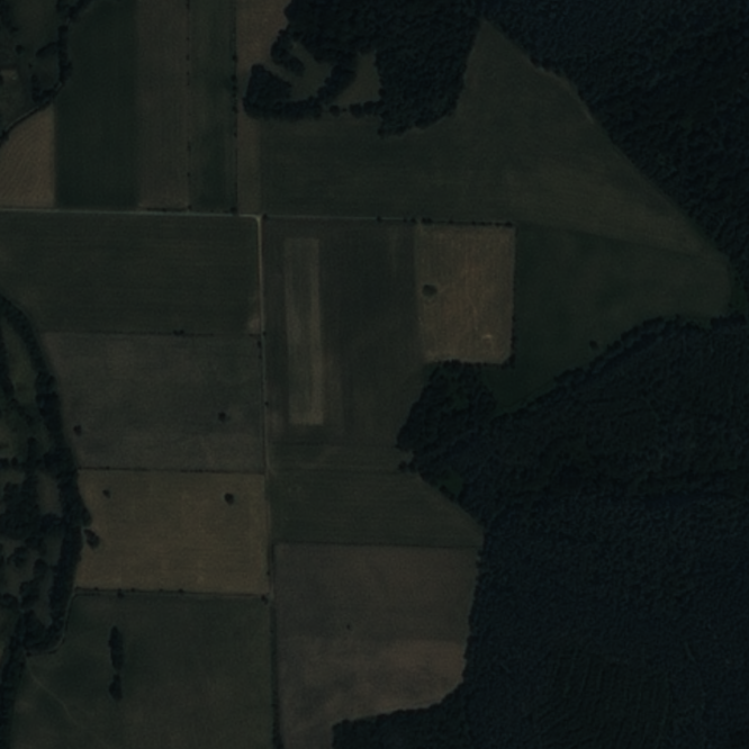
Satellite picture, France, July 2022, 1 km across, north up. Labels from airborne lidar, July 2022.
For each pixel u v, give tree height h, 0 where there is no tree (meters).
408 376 0
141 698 0
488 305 0
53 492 0
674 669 27
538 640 27
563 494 26
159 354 0
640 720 9
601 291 0
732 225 13
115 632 12
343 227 0
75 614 0
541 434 23
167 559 0
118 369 0
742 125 23
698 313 0
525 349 0
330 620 0
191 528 0
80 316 0
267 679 0
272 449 0
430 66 13
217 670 0
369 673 0
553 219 0
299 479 0
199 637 0
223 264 0
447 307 0
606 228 0
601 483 17
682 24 33
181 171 0
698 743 26
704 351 10
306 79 0
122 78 0
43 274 0
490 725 23
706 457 20
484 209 0
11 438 0
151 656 0
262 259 0
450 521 0
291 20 23
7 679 16
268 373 0
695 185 23
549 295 0
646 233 0
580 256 0
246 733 0
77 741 0
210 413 0
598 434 19
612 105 27
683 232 0
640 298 0
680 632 29
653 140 11
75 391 0
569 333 0
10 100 0
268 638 0
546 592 24
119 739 0
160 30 0
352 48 20
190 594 0
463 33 17
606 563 20
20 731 0
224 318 0
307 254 0
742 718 28
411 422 12
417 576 0
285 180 0
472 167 0
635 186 0
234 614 0
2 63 0
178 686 0
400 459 0
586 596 29
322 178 0
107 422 0
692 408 14
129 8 0
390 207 0
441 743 15
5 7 10
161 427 0
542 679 21
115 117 0
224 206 0
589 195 0
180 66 0
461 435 19
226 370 0
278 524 0
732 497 25
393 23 20
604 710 9
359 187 0
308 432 0
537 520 11
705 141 28
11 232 0
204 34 0
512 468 8
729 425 21
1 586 0
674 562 16
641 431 9
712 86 28
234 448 0
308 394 0
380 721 17
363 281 0
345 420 0
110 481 0
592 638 24
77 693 0
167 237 0
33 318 0
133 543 0
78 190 0
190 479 0
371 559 0
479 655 20
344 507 0
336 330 0
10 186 0
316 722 0
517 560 28
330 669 0
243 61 0
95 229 0
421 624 0
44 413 22
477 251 0
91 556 0
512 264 0
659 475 7
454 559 0
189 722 0
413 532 0
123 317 0
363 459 0
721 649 26
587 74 11
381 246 0
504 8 27
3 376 10
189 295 0
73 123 0
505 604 27
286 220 0
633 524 29
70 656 0
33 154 0
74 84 0
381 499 0
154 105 0
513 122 0
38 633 18
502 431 21
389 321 0
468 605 0
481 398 17
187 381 0
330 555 0
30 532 12
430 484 9
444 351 0
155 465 0
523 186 0
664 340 25
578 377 16
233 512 0
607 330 0
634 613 24
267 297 0
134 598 0
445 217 0
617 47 7
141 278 0
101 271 0
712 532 21
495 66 0
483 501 24
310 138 0
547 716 8
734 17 16
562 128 0
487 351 0
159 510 0
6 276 0
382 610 0
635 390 11
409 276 0
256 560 0
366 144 0
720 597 24
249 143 0
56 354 0
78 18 12
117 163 0
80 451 0
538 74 0
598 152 0
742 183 22
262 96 23
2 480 0
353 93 0
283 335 0
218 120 0
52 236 0
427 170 0
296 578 0
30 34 0
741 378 10
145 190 0
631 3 25
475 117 0
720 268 0
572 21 28
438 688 0
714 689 28
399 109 12
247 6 0
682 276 0
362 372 0
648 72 31
